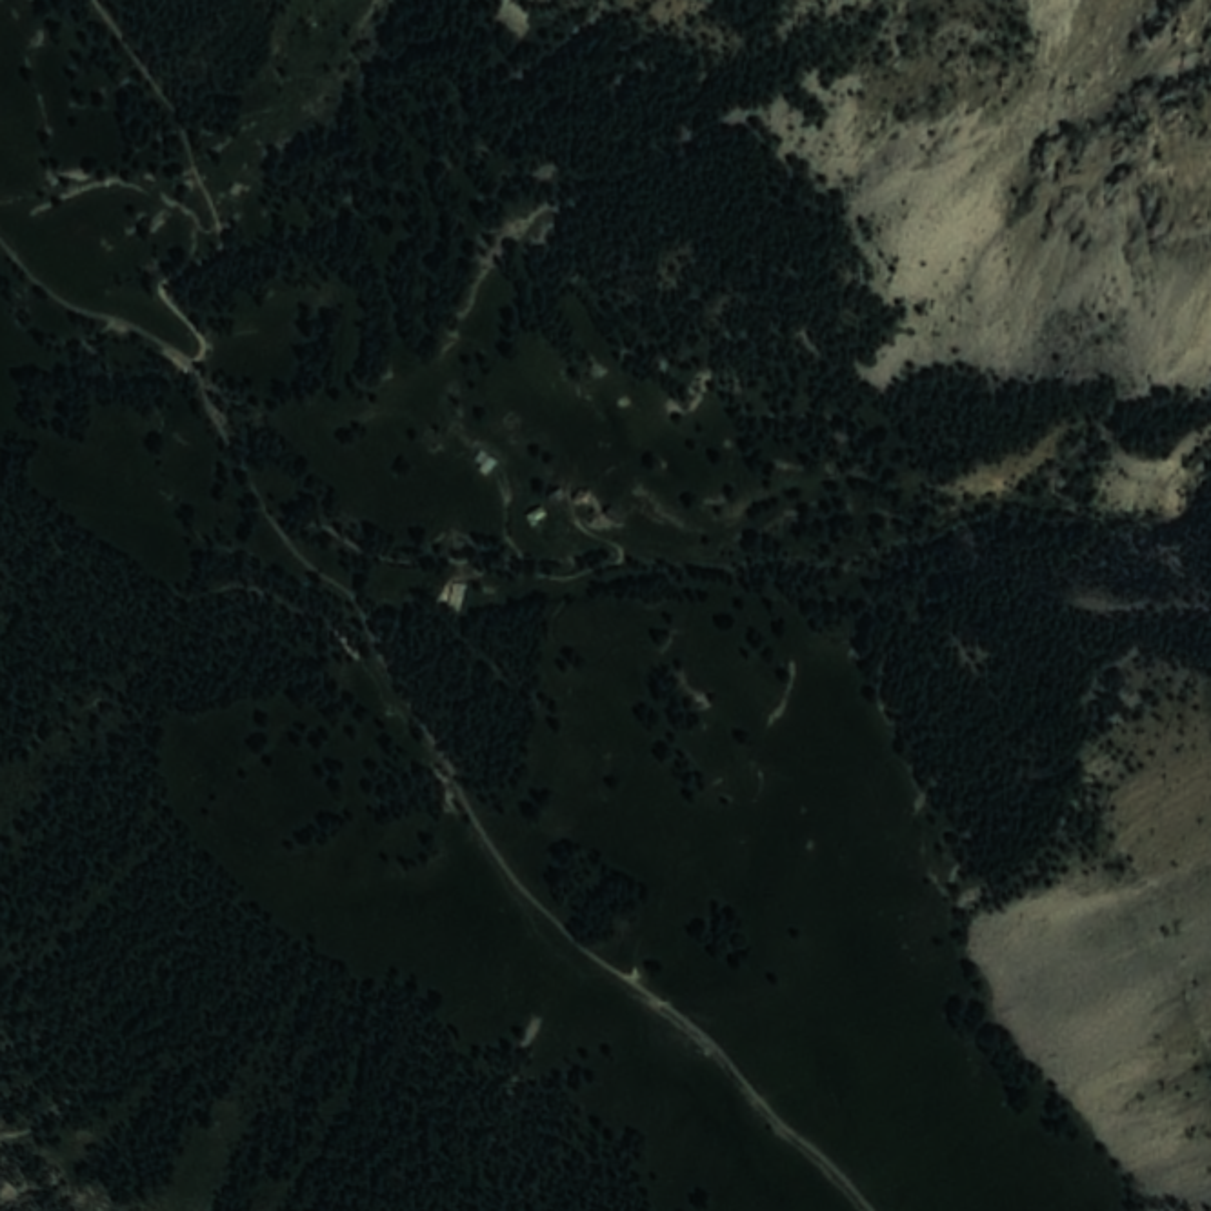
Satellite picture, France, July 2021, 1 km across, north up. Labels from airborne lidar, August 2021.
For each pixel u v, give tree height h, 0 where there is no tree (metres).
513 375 0
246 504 15
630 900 25
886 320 12
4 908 22
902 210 0
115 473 0
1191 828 0
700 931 20
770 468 16
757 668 0
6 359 0
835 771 0
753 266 19
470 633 21
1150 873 0
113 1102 19
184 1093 13
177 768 0
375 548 21
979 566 8
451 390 0
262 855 0
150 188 0
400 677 18
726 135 15
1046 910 0
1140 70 0
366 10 0
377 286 20
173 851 12
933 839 0
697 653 0
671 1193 0
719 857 0
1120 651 10
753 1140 0
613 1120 0
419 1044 18
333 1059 26
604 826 0
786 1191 0
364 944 0
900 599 6
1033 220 0
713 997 0
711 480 0
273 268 17
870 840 0
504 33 20
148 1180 25
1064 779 14
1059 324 0
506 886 0
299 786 0
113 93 0
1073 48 0
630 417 0
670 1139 0
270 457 26
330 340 19
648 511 0
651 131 16
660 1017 0
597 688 0
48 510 17
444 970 0
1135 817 0
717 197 17
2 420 0
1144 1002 0
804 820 0
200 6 16
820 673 0
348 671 0
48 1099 10
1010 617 19
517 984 0
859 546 0
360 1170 13
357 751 0
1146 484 0
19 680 18
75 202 0
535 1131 11
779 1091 0
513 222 0
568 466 0
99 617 21
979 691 13
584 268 10
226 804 0
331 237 21
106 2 13
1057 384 12
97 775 21
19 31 0
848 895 0
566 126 17
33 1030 6
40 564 23
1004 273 0
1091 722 8
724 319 11
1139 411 18
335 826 15
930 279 0
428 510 0
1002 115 0
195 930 14
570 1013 0
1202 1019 0
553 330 15
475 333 0
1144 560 8
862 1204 0
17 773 0
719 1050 0
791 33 7
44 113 0
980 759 11
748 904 0
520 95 20
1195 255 0
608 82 14
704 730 0
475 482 0
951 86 6
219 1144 0
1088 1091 0
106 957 15
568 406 0
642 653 0
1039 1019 0
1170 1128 0
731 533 0
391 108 28
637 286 8
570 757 0
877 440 18
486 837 0
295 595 23
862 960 0
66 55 0
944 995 0
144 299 0
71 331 0
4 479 20
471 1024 0
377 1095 14
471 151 22
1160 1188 0
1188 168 0
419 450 0
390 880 0
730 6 15
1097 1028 0
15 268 11
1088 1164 0
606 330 18
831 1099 0
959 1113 0
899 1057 0
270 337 0
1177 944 0
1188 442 0
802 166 18
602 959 0
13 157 0
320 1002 17
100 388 21
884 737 0
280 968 11
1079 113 0
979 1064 0
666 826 0
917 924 0
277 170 14
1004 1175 0
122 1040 12
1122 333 0
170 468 0
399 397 0
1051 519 12
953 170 0
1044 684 21
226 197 0
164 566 0
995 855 17
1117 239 0
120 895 14
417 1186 10
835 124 0
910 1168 0
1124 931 0
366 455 0
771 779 0
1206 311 0
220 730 0
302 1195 13
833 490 18
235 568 11
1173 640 11
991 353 0
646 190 13
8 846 21
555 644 0
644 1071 0
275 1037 19
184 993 21
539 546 0
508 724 21
